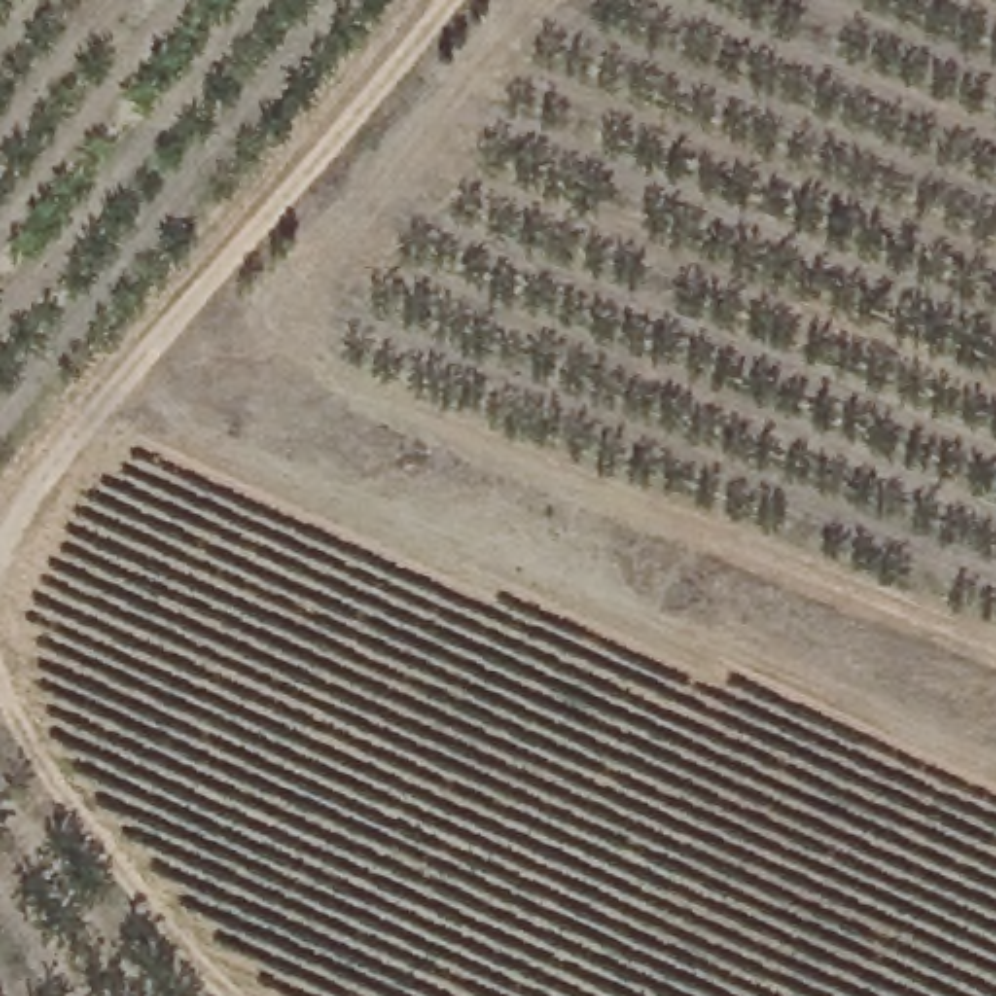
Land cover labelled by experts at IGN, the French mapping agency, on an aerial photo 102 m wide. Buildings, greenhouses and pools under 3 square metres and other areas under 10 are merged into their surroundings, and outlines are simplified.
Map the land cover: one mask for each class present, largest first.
<instances>
[{"label":"vineyard","instance_id":"1","mask_svg":"<svg viewBox=\"0 0 996 996\"><path fill-rule=\"evenodd\" d=\"M66 533L82 545L62 541L31 595L27 623L39 626V693H51V739L66 747V774L97 782L93 805L121 817V836L152 848V872L160 879L179 883V907L210 918L214 942L257 961V984L280 996H996V794L879 735L856 731L809 704H798L743 673L708 685L584 623L517 599L514 591H498L490 603H482L424 572L401 568L374 549L342 541L311 521H300L191 467H179L160 451L132 447L117 475H101L97 486L82 494L66 525Z\"/></svg>","mask_w":996,"mask_h":996},{"label":"pervious surface","instance_id":"2","mask_svg":"<svg viewBox=\"0 0 996 996\"><path fill-rule=\"evenodd\" d=\"M467 0H432L428 12L401 39V47L385 58V66L366 82V89L319 136V144L300 160V167L268 195L257 218L245 222V230L152 327V335L140 346L125 350L121 370L105 377L101 393H93V401L74 397L70 405H51V409L58 412L62 436L51 444L47 459L31 471V479L23 482V490L0 521V786L8 770H19L31 759L35 782L58 805H66L82 821L86 836L101 844L117 887L148 899L156 930L167 942H175V953L198 969L202 992L210 996H280L257 984V961L214 942L210 918L179 907V883L160 879L152 872V848L121 836V817L93 805L97 782L66 774V747L51 739V693H39V626L27 623L31 595L62 541L82 545L66 533V525L82 494L97 486L101 475H117L132 447L160 451L179 467H191L300 521H311L342 541L374 549L401 568L424 572L482 603H490L498 591H514L517 599L584 623L708 685L743 673L798 704H809L856 731L879 735L996 794V626L980 615L949 611V603L899 587H887L875 576L836 564L821 552H805L770 533L747 521H731L728 514L708 510L665 490L638 486L630 479L615 475L580 467L568 451H552L533 440H510L502 428H490L486 416H475L467 409H440L436 401L416 397L412 385L397 377L385 381L374 374L346 362V327L350 319H358V311L374 303L370 276L393 265L409 222L428 218L432 226H440L451 214V202L459 198V183L482 160L479 136L482 128H494L498 113L506 109V86L514 78L506 62L514 51L533 43L541 23L549 19L564 0H490L479 27L467 31L451 62H444L436 39ZM284 210L296 214L300 230L292 249L276 257L265 245V237L284 218Z\"/></svg>","mask_w":996,"mask_h":996},{"label":"deciduous trees","instance_id":"3","mask_svg":"<svg viewBox=\"0 0 996 996\"><path fill-rule=\"evenodd\" d=\"M78 12V0H43L27 19L23 39L0 58V113L12 105L16 86H23V78L31 74V62L62 39V19ZM237 0H191L179 23L152 43V58L140 62V70L121 86L140 113H152L160 93L187 74L191 58L206 47L210 27L230 19ZM315 0H272L257 12V23L233 39L230 54H222L210 66L202 97L191 101L179 113V121L156 136V152L136 167V175L125 187H117L105 198V210L86 226V237L70 249L66 261L70 292H86L97 280L105 261L117 253V241L132 230L136 210L152 202L163 179L183 163L187 144L206 140L214 132V109L222 101H237L241 86L265 66V58L280 47L288 27L303 19ZM389 0H342L335 8L331 31L315 35L311 54H303L300 66L288 70L284 93L265 101L261 117L237 128L233 156H222L214 163L206 187L218 202L241 187V179L261 163L265 148L288 140L296 113L311 105L319 82L335 70V62L366 43L370 23L381 19ZM490 0H467L436 39L444 62H451L467 31L479 27ZM591 16L603 27H619L646 47H661V35H685V58L696 66H716L728 78H735V66L747 62L755 89L782 93L794 105H813L825 117L833 109H844V121L856 128L879 132L883 140L903 144L910 152H926L942 163H973L977 179L996 183V144L980 140L973 128L938 125L930 113L899 109L887 97H875L872 89L840 86L833 70L786 62L763 47H751L747 39H731L708 19H681L658 0H595ZM724 12L774 27L786 39H794L798 31L805 8L801 0H712ZM883 16L918 23L930 35L957 43L961 51H977L984 12L961 8L953 0H864ZM533 58L545 70H564L580 78L587 70V51L564 43V27L549 19L541 23L533 43ZM840 47L848 62H872L887 78H903L945 101H961L965 109H980L988 86L984 74L957 70L953 62L922 47L899 43L887 31H868V23L848 19V27L840 31ZM113 47L101 35H93L86 51H78L74 66L51 82L47 97L35 101L31 125L12 132L0 148V206L31 171L39 152L54 140L58 125L74 117L86 93L105 78ZM615 82H626L634 101L693 121L712 117V89L696 86L693 93H681L669 70L623 58L611 43L599 70L603 93L615 89ZM724 132L770 156L778 121L770 113L728 101ZM607 152L634 156L642 167H665L673 179L685 175L689 160L700 163L704 191L735 206L747 202V195H763L774 218L782 214V206L798 210L786 237L766 241L759 226L712 222V230H700V210L693 202L665 195L661 187H646L642 214L646 230L658 241H669V249H696L716 261H731L728 288L677 276V307L700 315V303L712 300V319L720 327H731L743 288L751 280H774L794 288L801 300L829 292L833 307H840L844 315H860L864 323H872V315L883 307L891 292L887 280L872 284L860 272L805 261L794 249L798 237L809 233L817 222L821 187H798L782 179L766 183L747 163H716L712 152L689 148L685 140L669 148L650 128H630V117L607 113ZM117 160L113 132L105 125H93L74 148V160L66 167L58 163L51 183H43L39 195L27 202V218L12 226V257H39L47 241L58 237V230L66 226L70 210L89 195L97 163ZM482 160V167L502 171L514 160L521 187L533 183L549 198H568L576 210H595L599 202H611L619 191L611 171L595 160H584L568 148H552L549 140L529 132L506 136L494 128H482L479 136ZM821 171H833L836 179L860 187L883 179V195L891 202H899L903 195L918 198L914 214L899 230L883 226L879 210L848 206L836 198L829 210V241H836L840 249H856L864 257L887 253L891 265L918 268V276H938L942 268H953V292L965 300H973L977 272L988 280V300H996V268L988 265V257H965L949 241H918V226L926 222L930 206H942L949 222H973V237L996 233V206L973 198L953 183L907 175L856 144L825 140L821 148ZM490 233L517 237L525 249H545L564 265L572 261L580 230L545 218L541 210L506 202L490 210ZM300 230L296 214L284 210V218L265 237V245L276 257L292 249ZM195 218H167L160 226V241L136 253L132 272L113 284V296L105 303H97L86 335L74 338L58 358V370L70 381L82 377L93 354L121 346L125 327L144 311L148 292L163 288L167 272L191 253ZM451 261L463 265V276L475 288H486L506 303L514 300L510 261L486 257V249L479 245L455 241L440 226H432L428 218L409 222L393 265L370 276L374 303V311L385 315L393 300H405L409 327L440 323L436 338H455L463 354L529 362L533 377L552 374L572 393H580V385L591 381L595 401L603 405L626 401V409L642 416L661 401V428L681 432L693 444L724 447L728 455L755 459L766 471H786L790 479L817 486L821 494L848 498L879 517H895L899 506H914V529L922 537H934L942 545H969L984 560H996V525L988 517H973L961 506H938L922 490H903V482L879 479L875 471L809 451L801 440L778 444L774 428L751 432L747 420L728 416L716 405L693 401V393L669 381H642L626 370L603 366L599 358L584 354L572 338H556L552 331L517 335L494 323V311H467V303L451 300L447 288H432L428 280L405 284L401 272L409 265ZM603 261H615V280L638 288L646 268L642 253L630 249V241L623 237L595 233L587 241V272H603ZM529 307H545L564 323H572L580 311H591V335L611 338L615 331H623L626 350L638 358L685 362L689 374H700L704 362H716V389L743 393L790 416H809L821 432H840L856 444H868L879 455H891L895 444H907L910 467H926L945 479H965L977 494H996V459L965 451L961 440L922 436V428L895 424L891 416H883L879 405H864L856 397H829V385H821V393L813 397L805 393V377H782L778 366H770L766 358H743L731 346H716L704 335L669 327L665 319L638 315L572 284H556L549 272H533L525 288ZM895 335L930 342L934 354H949L969 370H996V331L984 315L949 311L910 288L903 292L895 315ZM798 319L786 307L751 300V335L774 346H790ZM58 327V303H31L27 311H16L12 335L0 342V393L16 389L27 354L43 350L51 331ZM809 362L836 366L852 377H864L868 385L903 393L918 409L961 416L965 424L992 428L996 436V397H984L980 389H953L945 377L922 374L883 342L844 338L821 323L809 327L805 342ZM374 374L385 381L397 377L412 385L416 397L436 401L440 409H467L479 401L486 374L451 366L444 354H397L385 342L377 350ZM490 428H502L510 440H533L552 451H568L580 467L615 475V455L623 444L619 424L607 428L603 420H587V412H564L556 401L545 416V401L537 393H521L517 385H502L490 397L486 416ZM720 475L716 463H681L669 455L665 444L638 440L630 455V479L638 486L665 490L708 510ZM786 514V494L774 486L747 490V479H731L728 514L731 521H747L770 533ZM821 552L836 564L875 576L887 587H899L907 580L910 556L899 541L875 545L864 529L825 525ZM949 611L980 615L996 626V587H984L969 572H957L949 603ZM43 833L47 844L66 860V872L43 879V872L23 868L19 907H35L39 930L54 934L74 957H82L89 984L86 996H210L202 992L198 969L175 953V942H167L156 930L148 899L117 887L101 844L86 836L82 821L66 805H58L51 809Z\"/></svg>","mask_w":996,"mask_h":996},{"label":"plowed land","instance_id":"4","mask_svg":"<svg viewBox=\"0 0 996 996\"><path fill-rule=\"evenodd\" d=\"M43 0H0V58L23 39L27 19ZM191 0H78V12L62 19V39L31 62V74L23 78V86H16L12 105L0 113V148L12 132L31 125L35 101L47 97L51 82L74 66L78 51H86L93 35H101L113 47L105 78L86 93L74 117L58 125L54 140L39 152L31 171L0 206V342L12 335L16 311H27L31 303H58V327L51 331L43 350L27 354L16 389L0 393V436L19 420L39 385L58 370V358L74 338L86 335L97 303H105L113 296V284L132 272L136 253L160 241V226L167 218H195L191 253L167 272L163 288L148 292L144 311L125 327L121 346L93 354L82 377L70 381L62 397H54L51 405H70L74 397L93 401V393H101L105 377L121 370L125 350L140 346L152 335V327L245 230V222L257 218L268 195L300 167V160L319 144V136L366 89V82L385 66V58L401 47V39L428 12L432 0H389L381 19L370 23L366 43L335 62V70L319 82L311 105L296 113L288 140L265 148L261 163L241 179V187L218 202L206 187L214 163L222 156H233L237 128L261 117L265 101L284 93L288 70L300 66L303 54H311L315 35L331 31L335 8L342 0H315L303 19L288 27L280 47L265 58V66L241 86L237 101H222L214 109V132L206 140L187 144L183 163L163 179L152 202L136 210L132 230L117 241V253L105 261L97 280L86 292H70L66 261L70 249L86 237V226L105 210V198L117 187H125L136 175V167L156 152V136L179 121V113L191 101L202 97L210 66L222 54H230L233 39L257 23V12L272 0H237L230 19L210 27L206 47L191 58L187 74L160 93L152 113H140L121 86L140 70V62L152 58V43L179 23ZM93 125H105L113 132L117 160L97 163L89 195L70 210L66 226L58 230V237L47 241L39 257H12V226L27 218V202L39 195L43 183H51L58 163L66 167L74 160V148ZM595 0H564L549 19L564 27V43L587 51V70L580 78L564 70H545L533 58V43L514 51L506 62L514 78L506 86V109L498 113L494 128L506 136L529 132L549 140L552 148H568L584 160H595L611 171L619 191L611 202H599L595 210H576L568 198H549L533 183L521 187L514 160L502 171L482 167V160L459 183V198L451 202V214L440 226L455 241L479 245L486 249V257L510 261L514 300L506 303L486 288H475L463 276V265L451 261L409 265L401 272L405 284L428 280L432 288H447L451 300L467 303V311H494V323L517 335L552 331L556 338H572L584 354L599 358L603 366L626 370L642 381H669L693 393V401L716 405L728 416L747 420L751 432L774 428L778 444L801 440L809 451L875 471L879 479L903 482V490H922L938 506H961L973 517H988L996 525V494H977L965 479H945L926 467H910L907 444H895L891 455H879L868 444H856L840 432H821L809 416H790L743 393L716 389V362H704L700 374H689L685 362L638 358L626 350L623 331H615L611 338L591 335V311H580L572 323H564L545 307H529L525 288L533 272H549L556 284H572L638 315L665 319L669 327L704 335L716 346H731L743 358H766L770 366H778L782 377H805V393L813 397L821 393V385H829V397H856L864 405H879L883 416H891L895 424L922 428V436L961 440L965 451L996 459V436L992 428L965 424L961 416L918 409L903 393L868 385L864 377H852L836 366L809 362L805 342L809 327L821 323L844 338L883 342L922 374L945 377L953 389H980L984 397H996V370H969L949 354H934L930 342L895 335V315L903 292L910 288L949 311L984 315L996 331V300H988V280L977 272L973 300H965L953 292V268H942L938 276H918V268L891 265L887 253L864 257L856 249H840L836 241H829V210L836 198L848 206L879 210L883 226L899 230L914 214L918 198L903 195L899 202H891L883 195V179L860 187L836 179L833 171H821V148L825 140L856 144L907 175L953 183L973 198L996 206V183L977 179L973 163H942L926 152H910L903 144L883 140L879 132L856 128L844 121V109H833L825 117L813 105H794L782 93L755 89L747 62L735 66V78H728L716 66H696L685 58V35H661V47H646L619 27H603L591 16ZM611 43L623 58L669 70L681 93H693L696 86L712 89V117L693 121L634 101L626 82H615V89L603 93L599 70ZM728 101L770 113L778 121L770 156L724 132ZM607 113L630 117V128H650L669 148L685 140L689 148L712 152L716 163H747L766 183L782 179L798 187H821L817 222L809 233L798 237L794 249L805 261L860 272L872 284L887 280L891 292L883 307L872 315V323H864L860 315H844L840 307H833L829 292L801 300L794 288L774 280H751L743 288L731 327H720L712 319V300L700 303V315L677 307V276L728 288L731 261H716L696 249H669V241H658L646 230L642 214L646 187H661L665 195L693 202L700 210V230H712V222L759 226L766 241L786 237L798 210L782 206V214L774 218L763 195H747V202L735 206L704 191L700 163L689 160L685 175L673 179L665 167H642L634 156L607 152ZM506 202L541 210L545 218L580 230L572 261L564 265L545 249H525L517 237L490 233V210ZM595 233L623 237L630 241V249L642 253L646 268L638 288L615 280V261H603V272H587V241ZM751 300L786 307L798 319L790 346H774L751 335ZM681 19H708L731 39H747L751 47H763L786 62L833 70L840 86L872 89L875 97H887L899 109L930 113L938 125L973 128L980 140L996 144V0H953L961 8L984 12L977 51H961L957 43L930 35L918 23L883 16L864 0H801L805 8L798 31L794 39H786L774 27L724 12L712 0H658ZM848 19L868 23V31H887L899 43L922 47L953 62L957 70L984 74L988 86L980 109H965L961 101H945L903 78H887L872 62H848L840 47V31L848 27ZM918 241H949L965 257H988V265L996 268V233L973 237V222H949L942 206H930L926 222L918 226ZM440 323L409 327L405 300H393L385 315L374 311V303L358 311V319H350L346 327V362L374 374L377 350L385 342L397 354H444L451 366L486 374L479 401L467 409L475 416H486L490 397L502 385H517L521 393H537L545 401V416L556 401L564 412H587V420H603L607 428L619 424L623 444L615 455V475L630 479V455L638 440L665 444L669 455L681 463H716L720 475L708 510L728 514L731 479H747V490L774 486L786 494V514L770 533L805 552H821L825 525L864 529L875 545L899 541L910 556L907 580L899 587L949 603L957 572H969L984 587H996V560H984L969 545H942L934 537H922L914 529V506H899L895 517H879L848 498L821 494L817 486L790 479L786 471H766L755 459L728 455L724 447L693 444L681 432L661 428V401L642 416L626 409V401L603 405L595 401L591 381L580 385V393H572L552 374L533 377L529 362L463 354L455 338H436ZM62 436L58 412L51 409L43 416V432L19 444L8 467L0 471V521L23 490V482L31 479V471L47 459L51 444ZM58 805L35 782L31 759L19 770H8L0 786V996H86L89 984L82 957H74L54 934L39 930L35 907H19L23 868L43 872V879L66 872V860L47 844L43 833L51 809Z\"/></svg>","mask_w":996,"mask_h":996},{"label":"herbaceous vegetation","instance_id":"5","mask_svg":"<svg viewBox=\"0 0 996 996\"><path fill-rule=\"evenodd\" d=\"M70 381L58 370L39 385L19 420L0 436V471L8 467L19 444L43 432V416L51 409V405L54 397H62Z\"/></svg>","mask_w":996,"mask_h":996}]
</instances>
